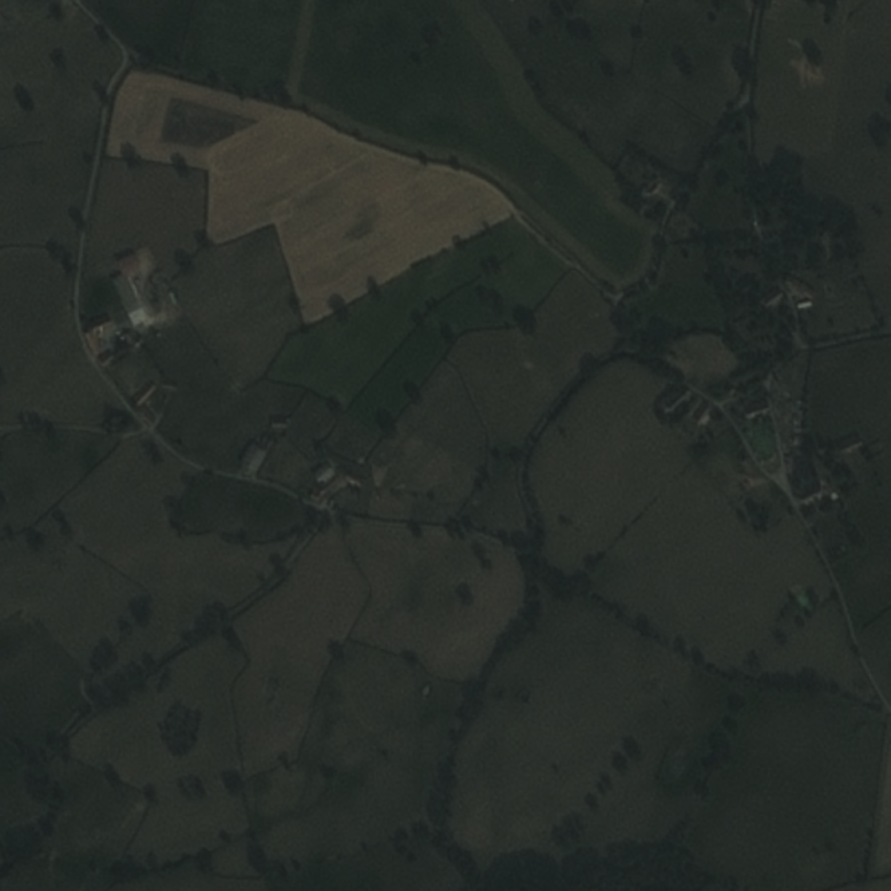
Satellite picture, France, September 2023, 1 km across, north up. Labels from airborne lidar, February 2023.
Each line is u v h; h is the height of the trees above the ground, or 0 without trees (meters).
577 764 0
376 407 0
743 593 0
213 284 0
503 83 0
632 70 0
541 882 24
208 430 0
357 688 0
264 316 0
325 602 0
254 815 0
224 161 0
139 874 25
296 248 0
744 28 0
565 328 0
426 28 0
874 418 0
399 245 0
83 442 0
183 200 0
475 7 0
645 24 0
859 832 0
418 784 0
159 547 0
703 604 0
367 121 0
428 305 9
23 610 0
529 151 0
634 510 0
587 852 0
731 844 0
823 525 0
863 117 0
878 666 0
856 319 0
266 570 0
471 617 0
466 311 0
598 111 0
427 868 0
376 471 0
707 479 0
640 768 0
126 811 0
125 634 10
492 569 0
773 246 16
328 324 0
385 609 0
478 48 0
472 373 0
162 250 0
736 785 0
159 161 0
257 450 0
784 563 0
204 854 9
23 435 0
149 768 0
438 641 0
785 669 0
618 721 0
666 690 0
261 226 0
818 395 0
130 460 0
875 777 0
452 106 0
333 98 0
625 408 0
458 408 0
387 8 0
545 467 0
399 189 0
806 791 0
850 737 0
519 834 0
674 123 0
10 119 0
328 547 0
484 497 0
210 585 0
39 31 0
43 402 0
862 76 0
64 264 22
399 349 0
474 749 0
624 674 0
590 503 0
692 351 0
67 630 0
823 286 0
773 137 0
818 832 0
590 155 0
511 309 0
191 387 0
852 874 0
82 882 0
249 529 0
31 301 0
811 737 0
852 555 0
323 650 0
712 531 0
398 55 0
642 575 0
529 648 0
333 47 0
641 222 0
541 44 0
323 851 0
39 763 18
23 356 0
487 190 0
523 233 0
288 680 0
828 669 0
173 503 12
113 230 0
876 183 0
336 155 0
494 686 0
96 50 0
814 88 0
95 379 0
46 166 0
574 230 0
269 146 0
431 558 0
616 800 0
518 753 0
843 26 0
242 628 0
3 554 0
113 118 0
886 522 0
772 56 0
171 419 0
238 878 0
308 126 0
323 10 0
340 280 0
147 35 0
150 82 0
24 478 0
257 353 0
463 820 0
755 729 0
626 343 13
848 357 0
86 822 0
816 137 0
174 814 0
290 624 0
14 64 0
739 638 0
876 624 0
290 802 0
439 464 0
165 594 0
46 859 0
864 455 8
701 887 20
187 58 0
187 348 0
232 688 0
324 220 0
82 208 0
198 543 0
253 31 0
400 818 0
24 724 0
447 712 0
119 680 12
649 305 0
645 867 16
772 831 0
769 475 0
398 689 0
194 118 0
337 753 0
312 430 0
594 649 0
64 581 0
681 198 7
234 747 0
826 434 0
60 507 0
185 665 0
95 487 0
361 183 0
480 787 0
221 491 0
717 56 0
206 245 11
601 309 0
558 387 0
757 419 7
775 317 19
